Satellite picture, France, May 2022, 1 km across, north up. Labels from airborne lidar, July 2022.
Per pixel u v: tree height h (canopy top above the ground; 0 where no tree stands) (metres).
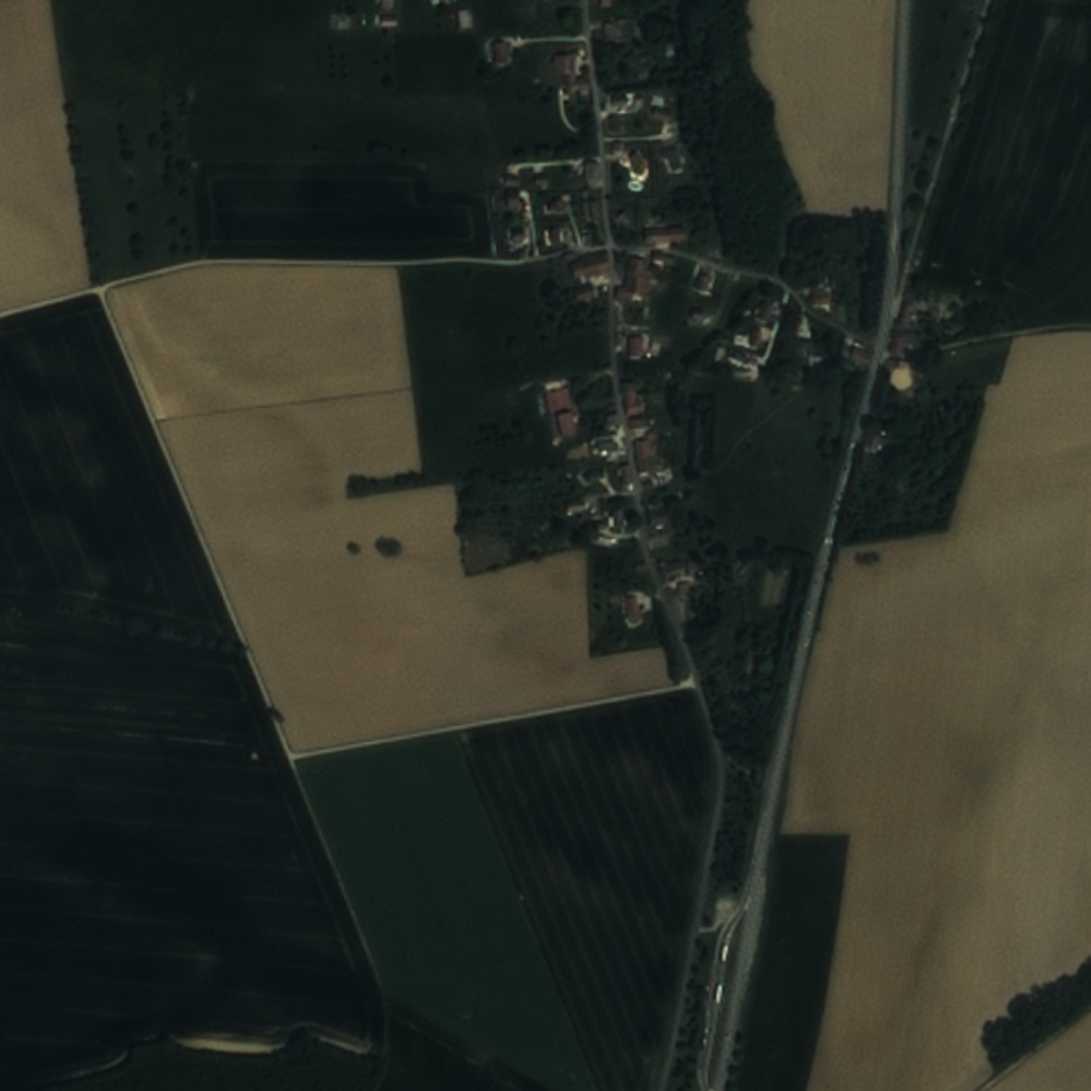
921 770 0
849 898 0
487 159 0
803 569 8
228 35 0
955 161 0
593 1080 0
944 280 0
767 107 21
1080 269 0
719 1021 0
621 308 0
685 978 0
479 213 0
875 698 0
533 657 0
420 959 0
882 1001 0
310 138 0
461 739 0
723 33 28
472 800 0
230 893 0
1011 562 0
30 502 0
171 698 0
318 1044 15
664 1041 0
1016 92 0
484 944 0
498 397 0
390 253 0
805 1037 0
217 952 0
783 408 0
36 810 0
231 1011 0
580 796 0
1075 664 0
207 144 0
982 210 0
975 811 0
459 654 0
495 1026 0
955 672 0
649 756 0
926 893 0
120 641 0
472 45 0
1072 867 0
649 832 0
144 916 0
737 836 10
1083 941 0
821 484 0
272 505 0
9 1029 0
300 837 0
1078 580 0
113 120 0
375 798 0
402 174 0
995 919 0
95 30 0
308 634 0
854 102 0
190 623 0
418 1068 0
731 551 11
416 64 0
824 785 0
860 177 0
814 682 0
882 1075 0
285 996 0
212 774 0
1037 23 0
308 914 0
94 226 9
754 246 24
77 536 0
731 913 0
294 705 0
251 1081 10
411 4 0
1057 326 0
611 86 6
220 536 0
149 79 0
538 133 0
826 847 0
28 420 0
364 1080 11
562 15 14
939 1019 0
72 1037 0
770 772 0
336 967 0
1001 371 0
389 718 0
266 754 0
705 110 17
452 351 0
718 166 26
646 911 0
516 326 0
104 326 0
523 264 0
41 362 0
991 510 0
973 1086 0
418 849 0
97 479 0
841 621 0
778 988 0
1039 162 0
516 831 0
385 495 0
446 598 0
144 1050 12
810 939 0
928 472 9
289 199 0
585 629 0
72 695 0
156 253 0
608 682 0
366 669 0
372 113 0
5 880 0
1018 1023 22
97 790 0
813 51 0
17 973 0
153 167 0
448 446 0
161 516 0
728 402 0
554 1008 0
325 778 0
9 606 9
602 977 0
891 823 0
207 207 0
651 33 19
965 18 0
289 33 0
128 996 0
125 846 0
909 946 0
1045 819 0
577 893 0
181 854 0
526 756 0
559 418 0
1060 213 0
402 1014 0
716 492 0
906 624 0
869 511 7
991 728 0
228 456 0
